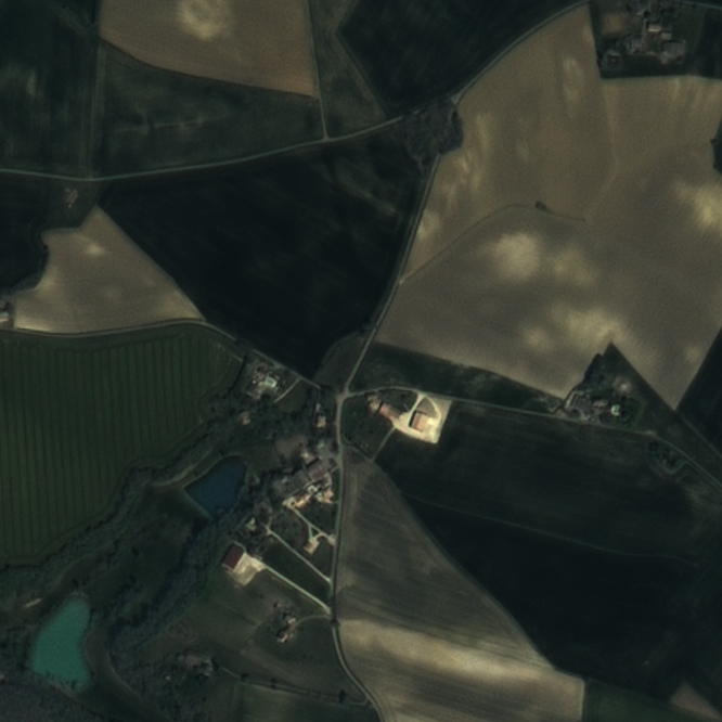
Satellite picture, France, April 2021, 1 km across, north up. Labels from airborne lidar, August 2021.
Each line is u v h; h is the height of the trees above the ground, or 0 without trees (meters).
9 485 0
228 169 0
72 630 0
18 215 0
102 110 0
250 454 0
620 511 0
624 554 0
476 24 0
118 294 0
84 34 0
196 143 0
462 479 0
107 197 0
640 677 0
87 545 17
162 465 0
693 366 0
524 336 0
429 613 0
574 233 0
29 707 15
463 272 0
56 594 0
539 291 0
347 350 0
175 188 0
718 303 0
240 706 0
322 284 0
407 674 0
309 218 0
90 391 0
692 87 0
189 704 14
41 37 0
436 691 0
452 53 0
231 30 0
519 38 0
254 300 0
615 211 0
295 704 0
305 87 0
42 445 0
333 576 0
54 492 0
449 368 0
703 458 0
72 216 0
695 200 0
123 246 0
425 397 0
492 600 0
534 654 0
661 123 0
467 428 0
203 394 0
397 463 0
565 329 0
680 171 0
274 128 0
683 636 0
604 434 0
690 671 0
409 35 0
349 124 0
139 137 0
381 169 0
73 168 0
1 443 0
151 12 0
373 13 0
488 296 0
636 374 0
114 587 0
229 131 0
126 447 0
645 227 0
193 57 0
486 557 0
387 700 0
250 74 0
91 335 0
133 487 15
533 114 0
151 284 0
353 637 0
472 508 0
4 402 0
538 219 0
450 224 0
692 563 0
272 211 0
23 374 0
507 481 0
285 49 0
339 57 0
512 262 0
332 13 0
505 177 0
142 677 22
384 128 0
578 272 0
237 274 0
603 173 0
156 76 0
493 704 0
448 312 0
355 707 0
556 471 0
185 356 0
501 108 0
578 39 0
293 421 15
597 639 0
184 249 0
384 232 0
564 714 0
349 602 0
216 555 15
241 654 0
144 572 0
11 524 0
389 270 0
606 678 0
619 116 0
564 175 0
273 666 0
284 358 0
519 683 0
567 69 0
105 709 0
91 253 0
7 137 0
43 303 0
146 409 0
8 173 0
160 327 0
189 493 0
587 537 0
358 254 0
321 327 0
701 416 0
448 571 0
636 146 0
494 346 0
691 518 0
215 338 0
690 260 0
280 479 8
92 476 0
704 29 0
